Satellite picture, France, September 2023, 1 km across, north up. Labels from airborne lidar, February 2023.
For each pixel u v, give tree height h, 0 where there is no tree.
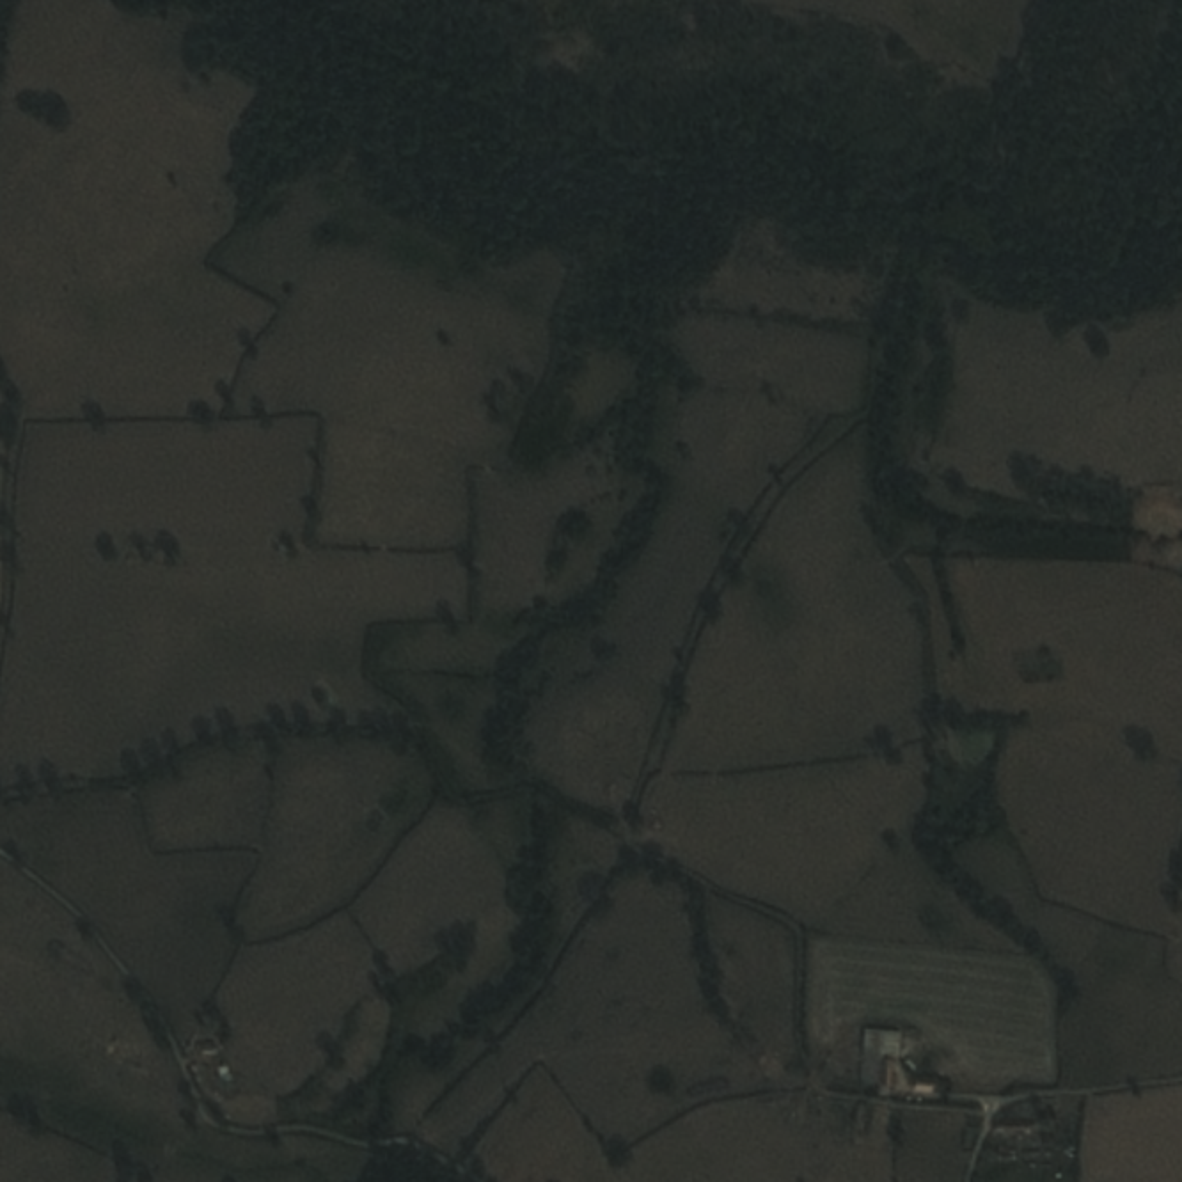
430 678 0
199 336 0
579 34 0
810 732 0
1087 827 0
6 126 0
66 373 0
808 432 0
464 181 8
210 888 0
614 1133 0
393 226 0
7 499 0
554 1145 0
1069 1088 0
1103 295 25
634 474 7
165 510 0
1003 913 17
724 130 22
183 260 0
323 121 9
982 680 0
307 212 0
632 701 0
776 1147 0
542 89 20
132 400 0
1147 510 0
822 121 9
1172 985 0
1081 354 0
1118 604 0
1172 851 0
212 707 0
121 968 0
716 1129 0
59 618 0
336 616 0
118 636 0
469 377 0
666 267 18
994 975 0
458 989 0
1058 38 15
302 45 13
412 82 5
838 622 0
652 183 14
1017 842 0
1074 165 16
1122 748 0
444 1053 14
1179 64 21
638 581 0
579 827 0
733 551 0
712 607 14
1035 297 8
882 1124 0
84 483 0
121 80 0
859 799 0
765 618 0
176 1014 0
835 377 0
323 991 0
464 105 13
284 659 0
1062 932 0
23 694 0
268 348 0
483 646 0
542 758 0
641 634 0
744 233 0
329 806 0
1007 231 20
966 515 0
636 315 19
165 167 0
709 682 0
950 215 0
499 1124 0
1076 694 0
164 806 0
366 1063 0
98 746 0
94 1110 0
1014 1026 0
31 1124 17
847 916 0
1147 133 6
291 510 0
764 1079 0
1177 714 0
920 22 0
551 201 20
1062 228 18
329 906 0
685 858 0
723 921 0
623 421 6
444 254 0
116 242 0
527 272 0
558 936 0
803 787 0
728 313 0
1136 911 0
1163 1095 0
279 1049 0
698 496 0
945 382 0
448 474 0
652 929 0
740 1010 0
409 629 0
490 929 0
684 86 15
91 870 0
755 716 0
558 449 0
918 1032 0
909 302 22
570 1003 0
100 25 0
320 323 0
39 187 0
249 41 6
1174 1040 0
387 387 0
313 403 0
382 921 0
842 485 0
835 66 10
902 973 0
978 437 0
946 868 15
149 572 0
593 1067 0
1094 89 9
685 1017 0
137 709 0
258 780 0
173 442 0
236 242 0
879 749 16
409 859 0
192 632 0
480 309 0
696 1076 0
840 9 0
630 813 14
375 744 0
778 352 0
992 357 0
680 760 0
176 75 0
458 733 0
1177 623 0
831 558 0
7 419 16
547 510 0
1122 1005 0
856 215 23
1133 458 0
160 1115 0
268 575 0
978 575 0
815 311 0
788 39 11
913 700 0
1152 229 7
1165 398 0
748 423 0
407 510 0
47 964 0
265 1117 0
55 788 16
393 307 0
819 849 0
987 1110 0
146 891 0
